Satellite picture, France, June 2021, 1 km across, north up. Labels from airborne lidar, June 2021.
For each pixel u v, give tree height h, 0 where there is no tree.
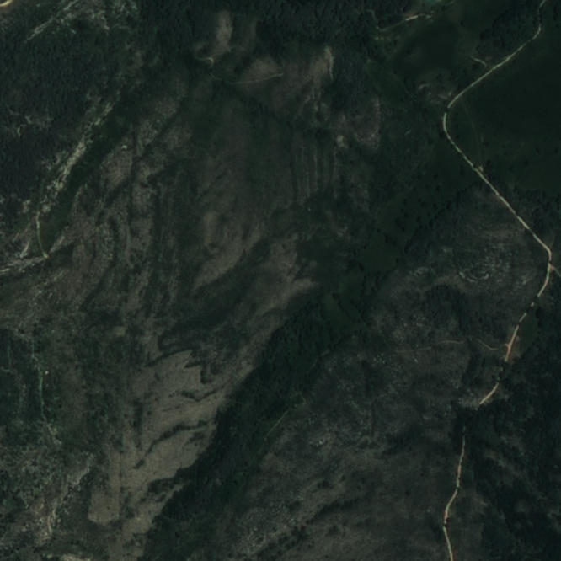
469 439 13
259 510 0
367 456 0
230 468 13
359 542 0
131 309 0
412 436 9
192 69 7
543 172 0
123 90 7
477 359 7
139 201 0
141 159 0
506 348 0
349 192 6
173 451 0
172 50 6
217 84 6
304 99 0
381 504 0
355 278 0
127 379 0
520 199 8
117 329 0
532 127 0
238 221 0
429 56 0
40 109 7
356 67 10
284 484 0
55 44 7
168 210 0
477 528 0
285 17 14
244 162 0
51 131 11
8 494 7
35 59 10
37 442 0
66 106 10
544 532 13
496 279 0
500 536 9
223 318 0
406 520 0
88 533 0
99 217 0
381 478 0
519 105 0
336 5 12
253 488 0
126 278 0
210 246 0
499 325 7
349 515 0
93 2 0
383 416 0
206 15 12
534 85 0
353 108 8
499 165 0
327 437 0
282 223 0
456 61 0
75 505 0
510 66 6
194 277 0
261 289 0
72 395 0
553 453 14
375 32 0
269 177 0
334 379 0
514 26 7
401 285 0
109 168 0
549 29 0
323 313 15
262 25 12
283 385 9
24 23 8
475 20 0
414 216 0
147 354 0
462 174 9
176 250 0
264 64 0
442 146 0
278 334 17
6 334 9
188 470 12
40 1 0
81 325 0
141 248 0
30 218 0
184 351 0
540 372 10
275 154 0
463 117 0
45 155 9
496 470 7
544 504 8
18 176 9
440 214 10
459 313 8
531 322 0
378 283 12
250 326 0
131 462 0
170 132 0
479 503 0
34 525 0
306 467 0
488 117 0
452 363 0
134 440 0
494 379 7
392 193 10
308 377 7
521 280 0
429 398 0
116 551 0
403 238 0
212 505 14
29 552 0
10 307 0
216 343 0
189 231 0
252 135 0
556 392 12
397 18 10
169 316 0
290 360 14
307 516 0
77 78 12
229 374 0
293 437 0
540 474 10
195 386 0
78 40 13
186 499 13
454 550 0
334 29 13
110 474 0
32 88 6
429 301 10
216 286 0
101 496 0
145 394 0
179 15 13
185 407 0
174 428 7
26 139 8
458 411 9
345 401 0
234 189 0
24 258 0
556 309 8
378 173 6
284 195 0
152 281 0
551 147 0
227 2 10
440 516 0
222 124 0
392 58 0
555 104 0
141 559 11
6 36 8
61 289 0
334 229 0
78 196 0
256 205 0
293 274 0
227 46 0
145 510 0
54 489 0
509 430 6
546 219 12
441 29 0
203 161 0
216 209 0
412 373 0
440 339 0
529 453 7
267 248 0
